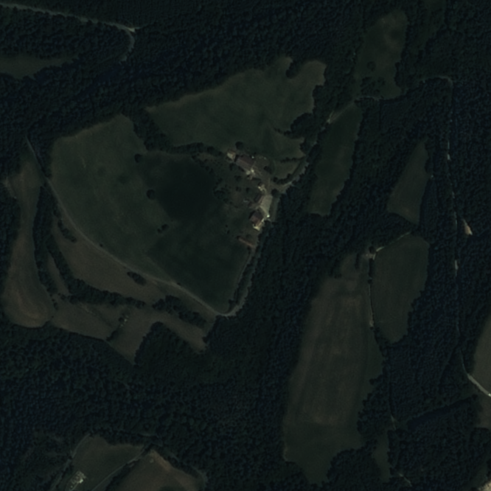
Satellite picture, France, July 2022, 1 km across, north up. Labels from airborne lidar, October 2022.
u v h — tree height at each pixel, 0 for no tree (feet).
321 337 0
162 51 33
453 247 69
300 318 84
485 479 0
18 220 67
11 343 47
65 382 97
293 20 66
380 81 26
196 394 36
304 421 0
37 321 0
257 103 0
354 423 0
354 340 0
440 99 109
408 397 86
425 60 66
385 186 23
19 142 94
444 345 92
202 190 0
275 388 75
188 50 63
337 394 0
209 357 27
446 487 93
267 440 52
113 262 0
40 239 69
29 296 0
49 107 96
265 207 0
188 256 0
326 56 59
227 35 89
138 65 39
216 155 30
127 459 0
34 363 139
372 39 0
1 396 76
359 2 41
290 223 80
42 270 49
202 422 100
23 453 94
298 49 66
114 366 34
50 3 60
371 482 55
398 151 22
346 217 106
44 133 103
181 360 44
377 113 50
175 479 0
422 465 77
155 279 0
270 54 67
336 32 56
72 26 65
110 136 0
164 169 0
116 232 0
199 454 68
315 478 0
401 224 77
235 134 0
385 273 0
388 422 55
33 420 110
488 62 59
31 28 89
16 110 85
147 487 0
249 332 58
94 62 65
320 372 0
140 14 70
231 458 53
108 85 112
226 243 0
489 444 65
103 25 57
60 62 0
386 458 0
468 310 75
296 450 0
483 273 81
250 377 81
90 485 0
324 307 0
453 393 86
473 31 31
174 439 104
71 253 0
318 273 56
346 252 52
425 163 0
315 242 98
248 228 0
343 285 0
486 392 0
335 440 0
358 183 92
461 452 25
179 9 72
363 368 0
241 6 70
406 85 46
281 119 0
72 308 0
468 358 59
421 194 0
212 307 0
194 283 0
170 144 49
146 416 90
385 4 47
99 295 64
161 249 0
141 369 63
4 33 85
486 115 96
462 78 40
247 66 59
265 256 53
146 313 0
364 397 0
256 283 66
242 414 89
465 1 70
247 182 0
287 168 0
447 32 72
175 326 0
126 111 60
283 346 105
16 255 0
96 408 97
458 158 66
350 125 0
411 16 58
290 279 63
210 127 0
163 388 98
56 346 75
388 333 0
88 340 57
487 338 0
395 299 0
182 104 0
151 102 65
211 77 73
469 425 50
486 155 64
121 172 0
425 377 102
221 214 0
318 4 105
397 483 72
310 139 56
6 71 0
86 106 84
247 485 71
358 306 0
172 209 0
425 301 48
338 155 0
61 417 102
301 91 0
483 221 83
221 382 22
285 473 29
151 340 66
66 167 0
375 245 34
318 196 0
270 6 43
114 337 29
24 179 0
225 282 0
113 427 83
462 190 48
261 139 0
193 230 0
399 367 85
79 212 0
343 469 59
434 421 110
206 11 50
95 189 0
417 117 109
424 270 0
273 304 71
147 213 0
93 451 0
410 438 88
